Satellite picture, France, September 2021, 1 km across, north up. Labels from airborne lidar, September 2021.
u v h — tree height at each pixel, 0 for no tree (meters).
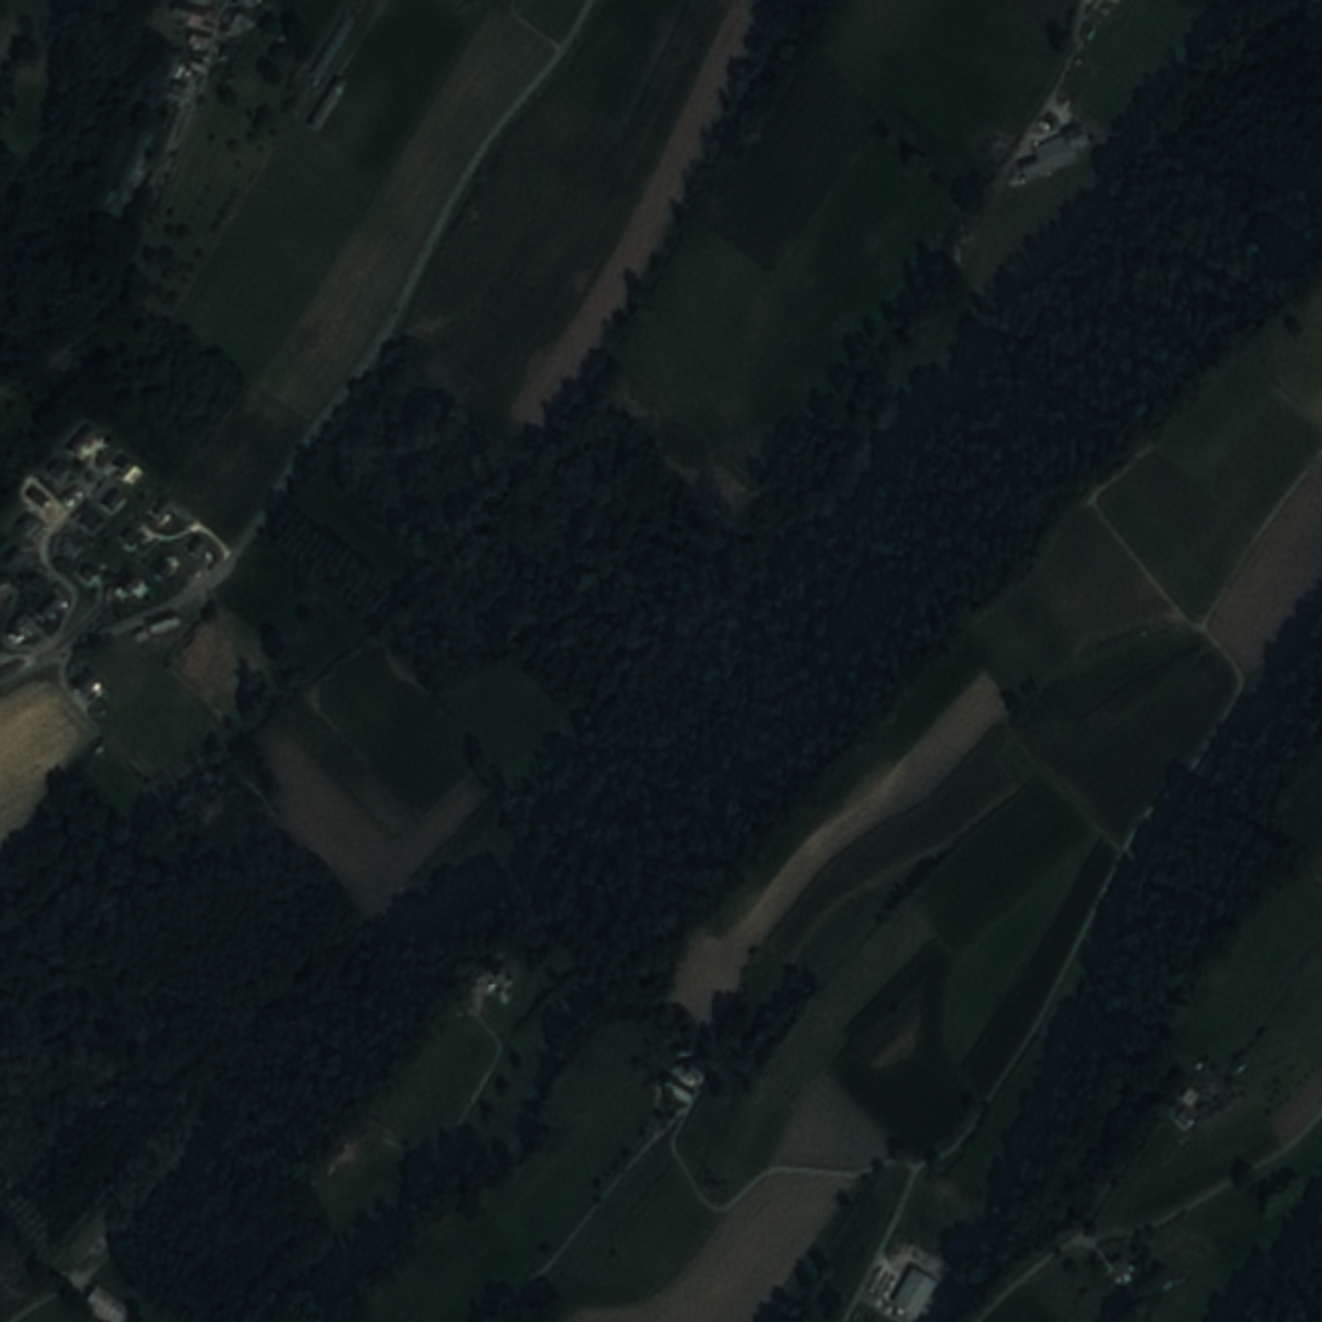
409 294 0
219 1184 31
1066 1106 23
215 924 22
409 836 0
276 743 0
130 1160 15
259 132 11
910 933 0
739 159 15
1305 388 0
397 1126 0
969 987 0
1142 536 0
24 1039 33
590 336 0
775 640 22
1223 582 0
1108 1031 8
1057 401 20
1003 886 0
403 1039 29
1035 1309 0
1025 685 0
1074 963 0
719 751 19
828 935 0
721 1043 15
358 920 26
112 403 13
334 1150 11
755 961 6
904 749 0
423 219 0
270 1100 24
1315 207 21
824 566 13
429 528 26
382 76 0
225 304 0
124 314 27
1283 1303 34
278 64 10
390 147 0
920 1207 0
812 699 25
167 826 22
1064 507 17
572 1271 0
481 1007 0
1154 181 26
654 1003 18
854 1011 0
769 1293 0
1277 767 24
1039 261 0
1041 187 0
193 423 11
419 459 10
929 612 28
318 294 0
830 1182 0
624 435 13
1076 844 0
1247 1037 0
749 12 0
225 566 0
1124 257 31
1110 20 0
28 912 17
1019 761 0
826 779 16
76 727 0
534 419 0
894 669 28
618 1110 0
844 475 26
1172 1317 0
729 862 24
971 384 19
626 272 0
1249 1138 0
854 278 0
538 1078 0
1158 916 25
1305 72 11
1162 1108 17
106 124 24
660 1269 0
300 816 0
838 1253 0
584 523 20
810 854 0
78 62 31
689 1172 0
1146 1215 0
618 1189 0
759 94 22
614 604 24
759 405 0
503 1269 0
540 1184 0
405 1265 12
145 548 7
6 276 21
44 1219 12
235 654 0
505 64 0
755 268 0
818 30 23
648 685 23
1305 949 0
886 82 0
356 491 10
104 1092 7
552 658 18
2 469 12
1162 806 0
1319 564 0
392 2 0
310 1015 22
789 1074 0
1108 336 30
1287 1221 0
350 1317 28
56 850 22
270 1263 15
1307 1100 0
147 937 23
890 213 0
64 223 29
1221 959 21
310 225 0
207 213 0
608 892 32
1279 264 7
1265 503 0
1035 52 0
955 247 0
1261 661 0
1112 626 0
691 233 0
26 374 26
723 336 0
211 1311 19
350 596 23
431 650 24
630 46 0
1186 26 0
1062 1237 7
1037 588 0
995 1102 0
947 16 0
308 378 0
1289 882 20
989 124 0
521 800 9
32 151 0
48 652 0
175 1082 13
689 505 11
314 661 0
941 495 32
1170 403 22
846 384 17
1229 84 7
